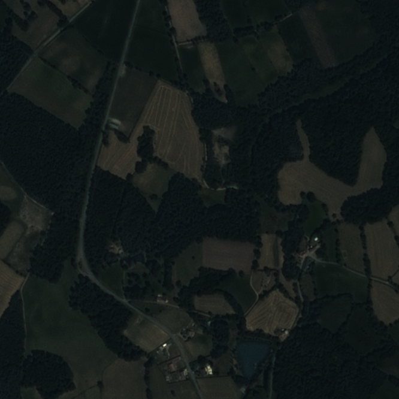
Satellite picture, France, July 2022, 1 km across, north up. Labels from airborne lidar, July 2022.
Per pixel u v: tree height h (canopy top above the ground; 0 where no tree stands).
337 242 11
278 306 0
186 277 0
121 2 0
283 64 0
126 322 22
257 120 14
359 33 0
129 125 0
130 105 0
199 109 21
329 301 7
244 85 0
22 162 20
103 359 0
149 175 0
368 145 0
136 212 21
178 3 0
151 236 13
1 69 23
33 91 0
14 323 10
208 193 0
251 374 0
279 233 13
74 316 0
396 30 20
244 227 21
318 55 0
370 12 17
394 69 16
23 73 0
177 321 0
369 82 19
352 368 23
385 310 0
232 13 0
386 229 0
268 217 0
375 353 11
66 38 0
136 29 0
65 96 0
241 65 0
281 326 0
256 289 0
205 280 9
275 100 21
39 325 0
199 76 0
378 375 13
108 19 0
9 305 10
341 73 15
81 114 0
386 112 19
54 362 17
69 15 0
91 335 0
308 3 23
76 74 0
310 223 0
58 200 17
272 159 10
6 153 17
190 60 0
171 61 0
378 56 20
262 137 19
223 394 0
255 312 0
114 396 0
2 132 21
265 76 0
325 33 0
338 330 10
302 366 18
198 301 0
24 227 0
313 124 21
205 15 22
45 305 0
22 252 0
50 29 0
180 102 0
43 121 21
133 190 18
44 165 17
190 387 0
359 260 0
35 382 14
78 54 0
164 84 0
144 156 16
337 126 22
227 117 23
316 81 30
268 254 0
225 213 25
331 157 22
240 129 0
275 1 0
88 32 0
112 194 20
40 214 0
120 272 0
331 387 16
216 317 13
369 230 0
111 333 22
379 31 14
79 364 0
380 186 0
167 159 0
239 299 0
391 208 18
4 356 15
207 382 0
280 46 0
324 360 19
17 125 18
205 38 11
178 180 25
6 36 22
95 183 16
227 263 0
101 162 0
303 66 18
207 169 13
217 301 0
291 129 26
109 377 0
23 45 24
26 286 0
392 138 14
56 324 0
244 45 0
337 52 0
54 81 0
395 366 0
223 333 25
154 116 0
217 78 0
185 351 0
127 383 0
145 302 0
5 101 18
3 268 0
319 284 0
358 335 0
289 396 13
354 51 0
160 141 0
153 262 10
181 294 15
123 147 0
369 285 9
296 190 0
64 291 0
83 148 24
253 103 0
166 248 30
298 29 0
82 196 21
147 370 8
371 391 16
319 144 17
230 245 0
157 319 0
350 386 20
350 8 0
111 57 0
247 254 0
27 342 0
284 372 12
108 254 18
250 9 0
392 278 8
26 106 20
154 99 0
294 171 0
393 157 14
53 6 16
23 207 0
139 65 0
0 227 9
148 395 14
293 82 22
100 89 13
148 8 0
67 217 14
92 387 0
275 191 18
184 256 0
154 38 0
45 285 0
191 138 0
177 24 0
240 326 18
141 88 0
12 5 0
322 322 0
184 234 28
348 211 18
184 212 15
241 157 19
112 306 20
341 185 0
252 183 6
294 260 12
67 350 0
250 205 18
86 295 23
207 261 0
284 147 15
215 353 23
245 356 0
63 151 21
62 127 20
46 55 0
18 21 22
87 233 16
